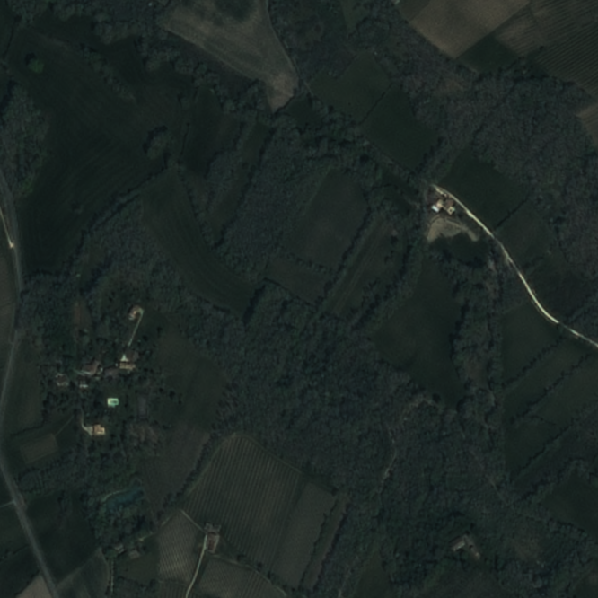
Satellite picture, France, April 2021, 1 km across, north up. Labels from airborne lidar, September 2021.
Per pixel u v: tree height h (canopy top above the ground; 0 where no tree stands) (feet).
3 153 74
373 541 80
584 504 0
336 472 52
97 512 52
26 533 0
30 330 62
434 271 0
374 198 47
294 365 66
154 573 0
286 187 57
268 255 45
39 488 44
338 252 0
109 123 0
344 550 75
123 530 40
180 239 0
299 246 0
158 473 0
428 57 65
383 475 59
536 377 0
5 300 0
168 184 0
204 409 0
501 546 20
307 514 0
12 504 0
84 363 42
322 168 59
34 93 0
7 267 0
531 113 86
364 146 63
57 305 67
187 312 22
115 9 46
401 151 0
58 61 0
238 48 0
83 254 60
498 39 0
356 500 67
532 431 0
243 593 0
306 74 32
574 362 0
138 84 0
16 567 0
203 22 0
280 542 0
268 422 82
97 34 61
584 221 63
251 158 0
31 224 0
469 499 21
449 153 46
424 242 68
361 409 91
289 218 54
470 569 30
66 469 53
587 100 44
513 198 0
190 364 0
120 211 36
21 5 48
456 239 0
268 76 0
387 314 30
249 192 53
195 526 0
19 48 0
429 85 63
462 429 70
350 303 0
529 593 65
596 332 52
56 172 0
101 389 48
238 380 63
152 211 0
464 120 68
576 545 22
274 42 0
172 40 35
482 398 49
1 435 0
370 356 66
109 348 42
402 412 45
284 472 0
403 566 31
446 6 0
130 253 73
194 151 0
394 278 0
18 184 72
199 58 26
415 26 0
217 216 0
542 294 0
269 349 74
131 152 0
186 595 0
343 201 0
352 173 51
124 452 29
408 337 0
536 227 0
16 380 0
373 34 52
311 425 89
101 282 76
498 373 57
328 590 64
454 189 0
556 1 0
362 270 0
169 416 0
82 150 0
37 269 0
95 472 61
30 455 0
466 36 0
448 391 0
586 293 0
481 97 53
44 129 70
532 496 34
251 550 0
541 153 70
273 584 42
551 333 0
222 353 69
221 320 61
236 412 77
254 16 0
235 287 0
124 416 0
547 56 0
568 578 67
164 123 0
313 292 0
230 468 0
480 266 0
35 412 0
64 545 0
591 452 17
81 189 0
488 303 69
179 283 68
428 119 51
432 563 21
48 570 0
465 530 23
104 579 0
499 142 74
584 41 0
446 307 0
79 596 0
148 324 0
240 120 64
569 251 65
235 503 0
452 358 41
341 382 70
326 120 35
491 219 0
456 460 62
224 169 49
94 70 69
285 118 57
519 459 0
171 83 0
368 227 52
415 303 0
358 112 0
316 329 57
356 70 0
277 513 0
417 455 59
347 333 91
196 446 0
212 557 0
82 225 0
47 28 0
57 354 41
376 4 44
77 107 0
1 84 0
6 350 0
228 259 57
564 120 89
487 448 46
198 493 0
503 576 60
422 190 71
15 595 22
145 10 35
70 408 19
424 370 0
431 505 50
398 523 78
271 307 55
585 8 0
